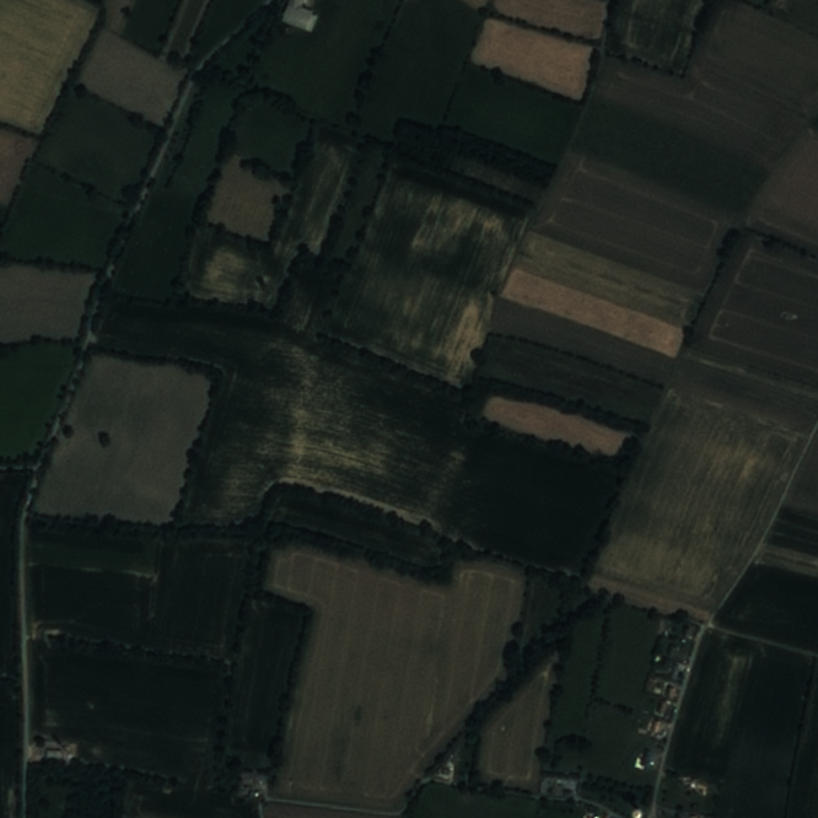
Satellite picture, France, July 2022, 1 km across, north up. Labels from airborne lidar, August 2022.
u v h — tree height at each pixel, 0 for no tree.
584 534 0
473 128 0
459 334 0
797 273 0
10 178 0
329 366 0
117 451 0
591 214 0
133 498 0
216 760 16
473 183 12
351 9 0
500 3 0
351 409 0
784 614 0
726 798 0
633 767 0
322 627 0
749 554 0
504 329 0
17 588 7
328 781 0
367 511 16
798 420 0
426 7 0
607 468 11
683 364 0
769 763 0
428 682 0
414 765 0
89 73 0
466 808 0
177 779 10
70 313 0
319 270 15
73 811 8
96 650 11
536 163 11
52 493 0
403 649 0
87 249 0
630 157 0
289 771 0
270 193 0
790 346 0
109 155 0
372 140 14
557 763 7
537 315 0
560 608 7
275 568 0
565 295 0
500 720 0
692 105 0
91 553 0
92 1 8
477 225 0
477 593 0
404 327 0
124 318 0
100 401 0
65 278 0
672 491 0
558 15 0
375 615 0
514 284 0
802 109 0
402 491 0
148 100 0
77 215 0
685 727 0
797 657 0
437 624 0
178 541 10
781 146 0
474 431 18
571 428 0
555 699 13
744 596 0
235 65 0
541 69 0
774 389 0
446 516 0
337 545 15
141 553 0
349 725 0
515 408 0
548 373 0
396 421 0
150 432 0
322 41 0
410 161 13
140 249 0
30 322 0
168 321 0
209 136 0
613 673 0
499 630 0
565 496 0
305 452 0
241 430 0
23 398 0
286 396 0
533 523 0
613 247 0
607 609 6
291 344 0
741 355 0
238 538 11
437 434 0
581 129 0
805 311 0
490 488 0
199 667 13
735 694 0
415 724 0
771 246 16
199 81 16
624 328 0
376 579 0
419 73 0
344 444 0
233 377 0
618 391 0
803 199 0
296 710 0
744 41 0
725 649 0
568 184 0
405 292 0
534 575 15
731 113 0
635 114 0
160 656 12
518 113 0
